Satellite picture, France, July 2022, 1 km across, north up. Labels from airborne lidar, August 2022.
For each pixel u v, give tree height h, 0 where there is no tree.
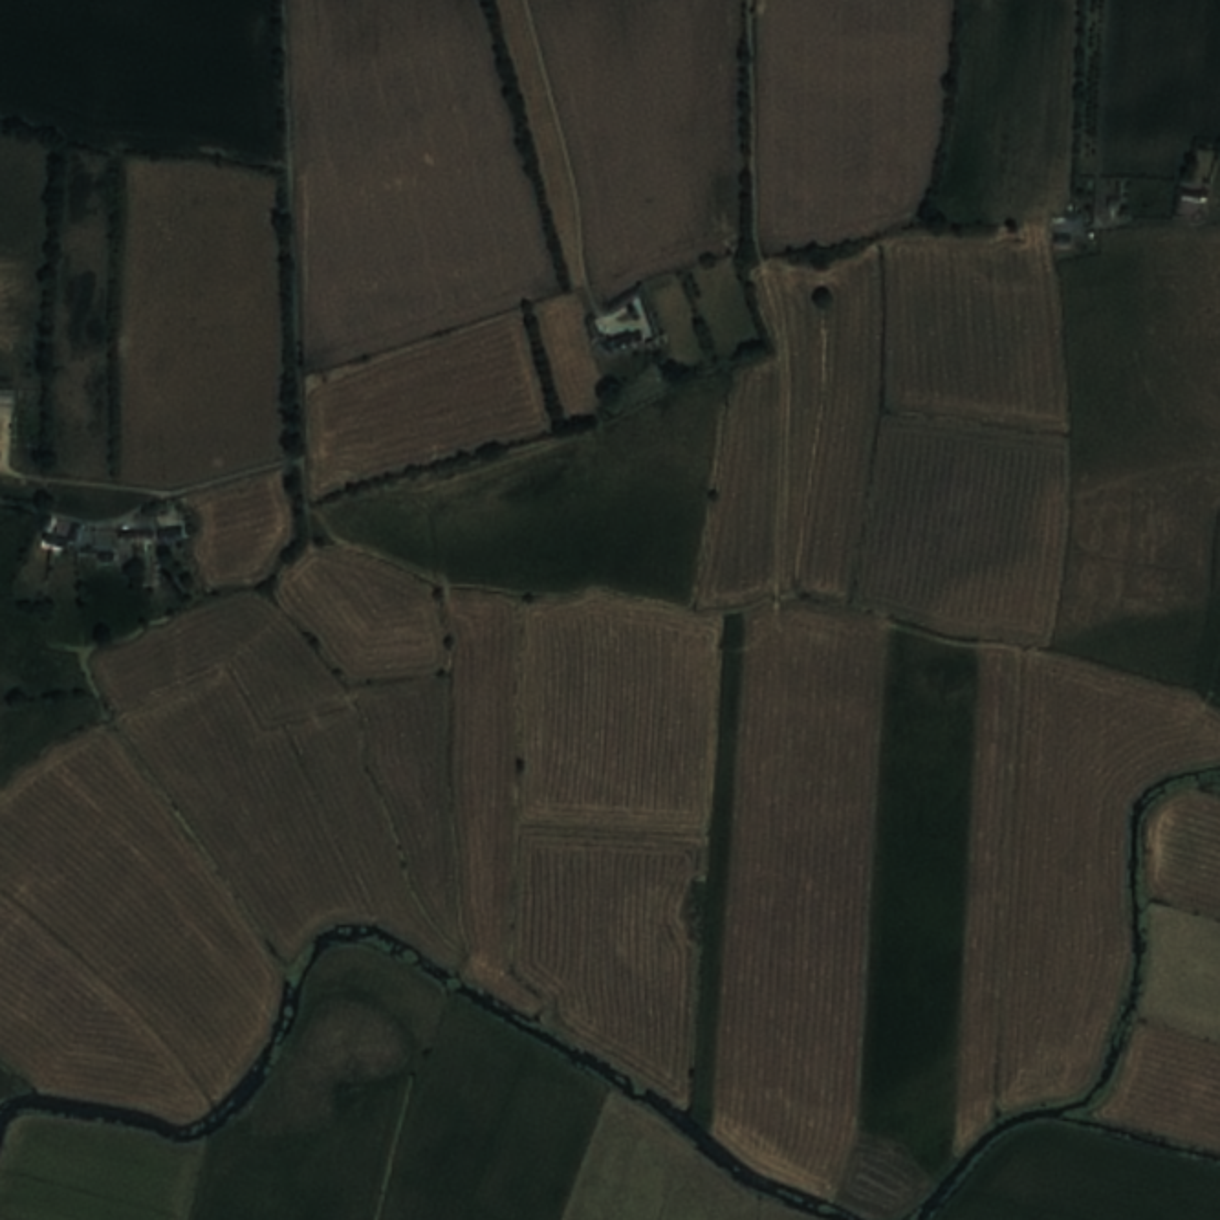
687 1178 0
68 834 0
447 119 0
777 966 0
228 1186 0
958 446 0
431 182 0
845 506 0
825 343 0
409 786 0
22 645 0
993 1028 0
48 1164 0
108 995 0
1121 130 0
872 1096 0
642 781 0
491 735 0
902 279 0
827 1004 0
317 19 0
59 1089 0
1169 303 0
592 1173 0
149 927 0
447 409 0
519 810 0
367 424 0
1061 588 0
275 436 0
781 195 0
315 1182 0
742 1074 0
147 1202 0
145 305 0
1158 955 0
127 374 0
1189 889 0
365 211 0
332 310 0
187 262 0
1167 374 0
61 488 0
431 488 0
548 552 0
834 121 0
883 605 0
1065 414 0
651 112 0
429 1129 0
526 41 0
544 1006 0
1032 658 0
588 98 0
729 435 0
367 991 0
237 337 0
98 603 0
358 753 0
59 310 0
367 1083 0
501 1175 0
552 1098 0
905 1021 0
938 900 0
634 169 0
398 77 0
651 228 0
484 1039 0
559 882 0
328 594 0
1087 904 0
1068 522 0
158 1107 0
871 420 0
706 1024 0
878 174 0
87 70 0
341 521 0
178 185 0
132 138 0
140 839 0
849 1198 0
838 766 0
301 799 0
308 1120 0
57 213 11
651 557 0
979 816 0
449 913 0
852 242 6
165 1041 0
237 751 0
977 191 0
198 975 0
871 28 0
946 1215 0
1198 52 0
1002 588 0
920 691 0
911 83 0
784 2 0
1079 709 0
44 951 0
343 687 0
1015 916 0
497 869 0
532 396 0
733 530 0
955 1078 0
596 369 0
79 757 0
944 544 0
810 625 0
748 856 0
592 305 0
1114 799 0
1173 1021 0
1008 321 0
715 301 0
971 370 0
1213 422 0
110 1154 0
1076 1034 0
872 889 0
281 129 9
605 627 0
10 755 0
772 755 0
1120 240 0
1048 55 0
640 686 0
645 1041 0
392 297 0
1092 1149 0
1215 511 0
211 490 0
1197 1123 0
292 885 0
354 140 0
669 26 0
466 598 0
